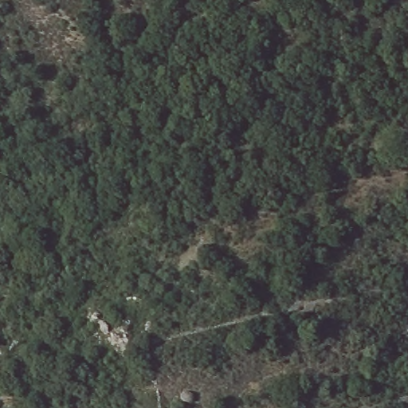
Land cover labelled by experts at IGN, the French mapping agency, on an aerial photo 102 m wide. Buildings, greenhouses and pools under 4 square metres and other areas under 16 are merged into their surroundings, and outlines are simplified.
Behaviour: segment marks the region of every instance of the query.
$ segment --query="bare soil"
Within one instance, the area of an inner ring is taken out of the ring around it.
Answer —
[[[126,328],[116,327],[108,330],[107,324],[97,317],[96,312],[89,314],[88,319],[94,320],[94,324],[99,324],[100,330],[112,346],[118,351],[126,349]]]

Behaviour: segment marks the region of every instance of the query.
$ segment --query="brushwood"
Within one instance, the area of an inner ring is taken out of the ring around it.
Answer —
[[[113,11],[115,18],[127,13],[142,14],[143,3],[147,0],[118,0]]]
[[[156,381],[158,373],[151,373],[148,368],[143,368],[147,362],[143,360],[142,355],[135,355],[134,359],[127,362],[121,359],[118,351],[112,346],[108,347],[104,359],[97,363],[97,378],[89,379],[94,392],[91,403],[84,408],[156,408],[156,394],[151,382]]]
[[[59,92],[59,84],[54,81],[57,64],[64,62],[61,53],[67,53],[70,49],[86,51],[84,35],[73,30],[76,22],[70,18],[70,14],[75,13],[76,8],[80,6],[81,0],[0,0],[0,49],[5,49],[6,53],[16,53],[16,59],[11,64],[11,73],[16,83],[22,84],[30,91],[27,110],[32,118],[38,118],[45,124],[45,132],[51,137],[56,137],[61,131],[61,124],[54,124],[51,121],[51,113],[54,110],[49,104],[53,104]]]
[[[0,408],[37,408],[29,398],[22,397],[19,387],[13,390],[11,397],[6,395],[5,386],[0,379]]]

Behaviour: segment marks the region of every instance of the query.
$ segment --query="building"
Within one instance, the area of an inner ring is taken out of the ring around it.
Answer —
[[[182,392],[180,398],[190,402],[190,394]]]

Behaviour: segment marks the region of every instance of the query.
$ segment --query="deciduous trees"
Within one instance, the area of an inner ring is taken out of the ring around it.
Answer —
[[[341,328],[347,331],[360,331],[360,346],[365,349],[359,362],[359,373],[331,378],[324,373],[309,370],[308,373],[279,376],[271,379],[268,387],[260,389],[260,394],[244,395],[241,398],[242,405],[258,408],[296,408],[298,395],[306,392],[312,382],[317,382],[320,386],[314,408],[408,408],[408,191],[397,186],[394,193],[390,194],[389,201],[376,201],[375,210],[371,210],[367,223],[362,225],[363,236],[357,237],[354,241],[357,253],[351,253],[344,257],[343,261],[339,261],[339,268],[335,271],[335,284],[338,285],[339,293],[338,296],[331,298],[331,303],[319,304],[308,312],[288,311],[288,306],[292,306],[296,300],[328,298],[325,295],[324,284],[317,285],[316,290],[308,293],[296,287],[301,284],[301,277],[298,276],[296,268],[300,266],[301,261],[309,260],[309,255],[316,255],[317,263],[322,263],[325,250],[330,245],[338,245],[336,236],[341,233],[341,229],[351,229],[357,225],[354,218],[357,207],[344,207],[349,183],[357,183],[359,178],[370,178],[371,175],[386,177],[395,171],[408,172],[408,0],[147,0],[143,3],[142,14],[127,13],[115,18],[113,11],[118,0],[81,0],[80,6],[76,8],[75,13],[70,14],[70,18],[76,22],[73,30],[84,35],[86,51],[70,49],[67,53],[61,53],[64,62],[57,64],[54,81],[59,84],[59,92],[53,104],[49,104],[54,110],[51,113],[51,121],[54,124],[61,124],[61,131],[56,137],[51,137],[45,132],[45,124],[38,118],[32,118],[27,110],[30,91],[22,84],[16,83],[11,73],[11,64],[16,59],[16,53],[6,53],[5,49],[0,49],[0,379],[5,386],[6,395],[11,397],[13,390],[19,387],[22,397],[29,398],[37,408],[84,408],[91,403],[94,392],[89,379],[97,378],[97,363],[104,359],[108,347],[112,346],[100,330],[99,324],[94,324],[94,320],[88,319],[89,314],[96,312],[97,317],[107,324],[108,330],[116,327],[126,328],[126,349],[118,351],[121,359],[127,362],[134,359],[135,355],[142,355],[143,360],[147,362],[143,368],[148,368],[151,373],[158,373],[161,363],[171,360],[174,365],[182,367],[212,367],[218,376],[225,376],[223,368],[233,368],[228,352],[225,351],[226,347],[239,354],[245,349],[249,354],[261,352],[263,359],[273,359],[279,354],[274,324],[280,320],[282,312],[290,314],[290,320],[296,325],[301,339],[312,339],[314,333],[324,341],[327,338],[339,339]],[[250,241],[257,233],[255,220],[260,209],[277,214],[276,229],[258,236],[258,242],[266,242],[265,249],[258,250],[258,253],[244,263],[229,247],[204,244],[196,260],[191,261],[185,268],[178,269],[180,257],[190,249],[182,237],[196,233],[198,226],[204,226],[204,223],[210,222],[210,218],[215,217],[218,222],[225,220],[231,222],[231,225],[236,225],[239,241]],[[167,341],[167,336],[172,335],[175,330],[185,331],[194,327],[220,324],[253,312],[261,312],[263,309],[273,312],[273,316]]]

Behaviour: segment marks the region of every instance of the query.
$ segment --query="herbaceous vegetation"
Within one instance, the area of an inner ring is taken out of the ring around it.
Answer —
[[[312,382],[306,392],[298,395],[296,408],[314,408],[320,386],[317,382]]]
[[[290,314],[282,312],[280,320],[274,324],[279,354],[273,359],[263,359],[261,352],[249,354],[245,349],[239,354],[226,347],[225,351],[228,352],[233,368],[223,368],[225,376],[218,376],[212,367],[182,367],[174,365],[171,360],[161,363],[158,373],[156,381],[151,382],[156,394],[156,408],[258,408],[242,405],[241,398],[244,395],[260,394],[260,389],[268,387],[271,379],[279,376],[308,373],[309,370],[324,373],[331,378],[359,373],[359,362],[365,349],[360,346],[360,331],[347,331],[341,328],[339,339],[327,338],[324,341],[314,333],[312,339],[301,339],[296,325],[290,320]],[[190,402],[180,398],[182,392],[190,394]]]
[[[204,244],[229,247],[244,263],[258,253],[258,250],[265,249],[266,242],[258,242],[258,236],[276,229],[277,214],[260,209],[255,220],[257,233],[250,241],[239,241],[236,225],[231,225],[231,222],[225,220],[218,222],[215,217],[210,218],[210,222],[204,223],[204,226],[198,226],[196,233],[182,237],[190,249],[180,257],[178,269],[185,268],[191,261],[196,260]]]
[[[253,312],[220,324],[194,327],[185,331],[175,330],[172,335],[167,336],[167,341],[273,316],[273,312],[263,309],[261,312]]]
[[[341,233],[336,236],[338,245],[330,245],[325,250],[322,263],[317,263],[316,255],[309,255],[309,260],[301,261],[300,266],[296,268],[298,276],[301,277],[301,284],[296,287],[308,293],[316,290],[317,285],[324,284],[325,295],[328,298],[296,300],[292,306],[288,306],[288,311],[308,312],[319,304],[331,303],[331,298],[338,296],[339,293],[338,285],[335,284],[335,271],[339,268],[339,261],[343,261],[344,257],[351,253],[357,253],[354,241],[357,237],[363,236],[362,225],[367,223],[371,210],[375,210],[376,201],[389,201],[390,194],[394,193],[397,186],[408,191],[408,172],[395,171],[386,177],[371,175],[370,178],[359,178],[357,183],[349,183],[344,207],[357,207],[354,218],[357,225],[351,229],[341,229]]]

